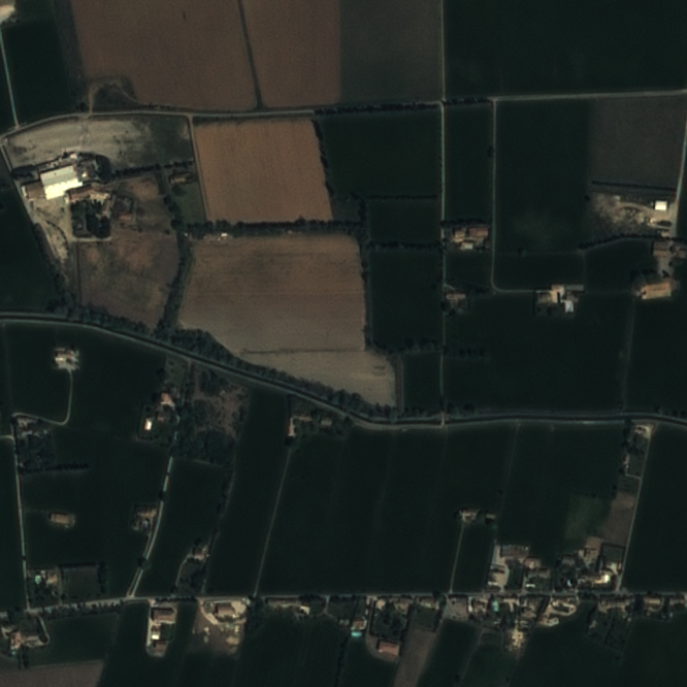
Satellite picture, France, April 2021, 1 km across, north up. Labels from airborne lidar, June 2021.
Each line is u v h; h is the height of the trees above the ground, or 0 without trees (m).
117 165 0
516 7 0
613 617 9
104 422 0
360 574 0
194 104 0
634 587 0
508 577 0
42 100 0
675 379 0
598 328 0
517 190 0
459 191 0
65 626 0
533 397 0
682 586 0
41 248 7
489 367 0
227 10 0
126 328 11
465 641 0
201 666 0
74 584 0
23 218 0
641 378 0
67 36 0
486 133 0
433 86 0
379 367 0
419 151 0
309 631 0
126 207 8
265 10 0
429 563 0
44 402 0
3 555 0
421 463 0
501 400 0
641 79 0
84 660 0
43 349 0
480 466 0
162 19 0
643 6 0
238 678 0
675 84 0
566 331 0
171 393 15
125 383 0
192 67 0
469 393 0
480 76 0
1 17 0
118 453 0
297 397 9
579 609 9
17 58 0
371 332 9
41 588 8
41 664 0
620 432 0
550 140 0
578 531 0
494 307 0
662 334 0
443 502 0
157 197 0
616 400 0
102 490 0
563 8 0
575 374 0
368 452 0
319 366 0
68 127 0
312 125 0
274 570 0
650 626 0
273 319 0
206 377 12
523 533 0
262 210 0
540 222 0
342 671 6
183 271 9
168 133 0
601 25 0
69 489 0
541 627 0
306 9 0
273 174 0
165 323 13
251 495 0
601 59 0
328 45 0
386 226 0
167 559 0
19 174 8
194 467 0
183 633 0
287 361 0
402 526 0
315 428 14
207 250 0
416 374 0
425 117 0
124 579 0
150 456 0
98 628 0
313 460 0
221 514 7
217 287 0
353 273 0
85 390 0
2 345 0
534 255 0
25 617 14
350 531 0
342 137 0
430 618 0
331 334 0
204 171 0
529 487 0
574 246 0
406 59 0
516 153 0
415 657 0
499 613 6
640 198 0
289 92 0
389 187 0
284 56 0
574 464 0
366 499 0
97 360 0
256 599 10
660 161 0
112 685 0
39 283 0
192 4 0
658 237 8
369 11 0
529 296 0
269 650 0
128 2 0
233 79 0
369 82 0
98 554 0
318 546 0
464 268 0
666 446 0
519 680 0
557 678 0
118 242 0
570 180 0
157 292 0
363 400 12
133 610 0
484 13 0
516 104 0
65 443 0
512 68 0
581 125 0
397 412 12
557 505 0
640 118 0
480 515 10
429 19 0
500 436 0
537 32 0
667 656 0
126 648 0
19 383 0
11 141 0
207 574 8
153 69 0
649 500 0
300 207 0
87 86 0
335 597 9
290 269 0
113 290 0
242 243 0
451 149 0
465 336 0
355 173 0
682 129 0
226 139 0
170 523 0
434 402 0
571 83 0
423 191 0
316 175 0
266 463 0
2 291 0
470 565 0
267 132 0
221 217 0
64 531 0
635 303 0
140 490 0
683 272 0
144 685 0
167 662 0
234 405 0
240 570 0
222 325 0
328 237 0
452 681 0
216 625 0
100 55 0
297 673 0
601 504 0
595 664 0
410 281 0
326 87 0
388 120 0
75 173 0
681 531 0
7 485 0
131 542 0
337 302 0
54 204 0
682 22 0
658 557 0
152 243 0
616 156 0
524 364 0
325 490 0
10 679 0
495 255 0
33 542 0
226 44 0
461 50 0
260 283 0
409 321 0
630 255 0
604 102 0
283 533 0
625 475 6
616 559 0
